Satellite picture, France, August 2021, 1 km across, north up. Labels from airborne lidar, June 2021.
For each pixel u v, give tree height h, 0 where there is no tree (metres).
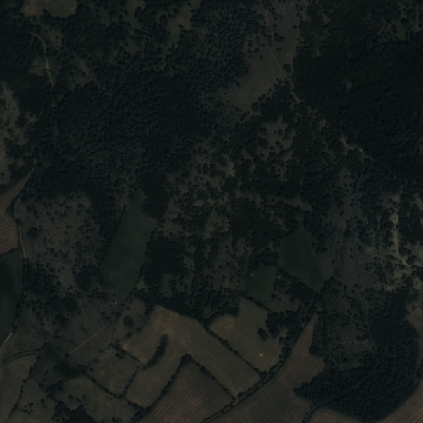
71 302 9
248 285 0
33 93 18
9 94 0
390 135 16
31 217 0
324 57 11
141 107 10
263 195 12
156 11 9
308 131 12
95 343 0
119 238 0
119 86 10
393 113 22
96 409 0
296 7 6
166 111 11
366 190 12
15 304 0
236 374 0
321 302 8
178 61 13
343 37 13
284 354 9
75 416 13
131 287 0
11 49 14
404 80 29
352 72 24
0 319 0
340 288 8
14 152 11
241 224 9
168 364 0
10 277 0
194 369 0
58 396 0
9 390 0
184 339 0
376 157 18
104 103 11
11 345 0
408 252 8
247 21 10
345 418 0
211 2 13
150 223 0
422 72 26
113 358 0
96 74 13
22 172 10
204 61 9
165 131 12
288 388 0
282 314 9
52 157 10
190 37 11
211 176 6
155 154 9
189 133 11
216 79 6
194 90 9
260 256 8
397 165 14
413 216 7
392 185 10
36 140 11
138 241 0
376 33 21
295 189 19
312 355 9
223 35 9
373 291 7
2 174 7
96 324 0
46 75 9
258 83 0
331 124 9
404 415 0
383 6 14
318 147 14
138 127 11
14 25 11
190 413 0
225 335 0
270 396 0
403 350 9
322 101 11
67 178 14
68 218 0
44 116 10
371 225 6
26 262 7
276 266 9
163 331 0
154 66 8
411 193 8
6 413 0
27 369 0
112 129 17
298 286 10
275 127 0
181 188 0
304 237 0
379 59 17
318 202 15
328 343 8
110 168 7
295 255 0
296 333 9
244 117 10
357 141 12
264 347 0
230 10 13
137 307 0
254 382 0
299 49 8
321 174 11
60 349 8
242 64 12
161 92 9
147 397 0
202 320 12
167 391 6
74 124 9
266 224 12
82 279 7
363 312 11
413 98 23
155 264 8
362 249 8
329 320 10
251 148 15
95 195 12
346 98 21
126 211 6
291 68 9
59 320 11
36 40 14
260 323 0
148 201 8
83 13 15
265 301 0
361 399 12
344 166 12
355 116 15
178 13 13
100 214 9
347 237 11
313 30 10
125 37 10
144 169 9
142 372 0
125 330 0
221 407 0
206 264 10
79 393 0
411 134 14
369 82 16
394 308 9
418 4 15
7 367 0
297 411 0
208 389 0
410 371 9
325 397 13
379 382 11
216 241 12
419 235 9
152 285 11
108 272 0
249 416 0
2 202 0
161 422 0
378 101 24
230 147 7
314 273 0
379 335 9
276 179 15
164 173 6
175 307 15
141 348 0
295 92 11
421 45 26
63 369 0
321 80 18
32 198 8
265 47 7
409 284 8
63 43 8
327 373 7
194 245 7
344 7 7
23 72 12
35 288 12
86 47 8
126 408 0
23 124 7
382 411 6
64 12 0
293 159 10
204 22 15
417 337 9
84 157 7
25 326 0
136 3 0
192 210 9
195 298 11
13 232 0
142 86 10
